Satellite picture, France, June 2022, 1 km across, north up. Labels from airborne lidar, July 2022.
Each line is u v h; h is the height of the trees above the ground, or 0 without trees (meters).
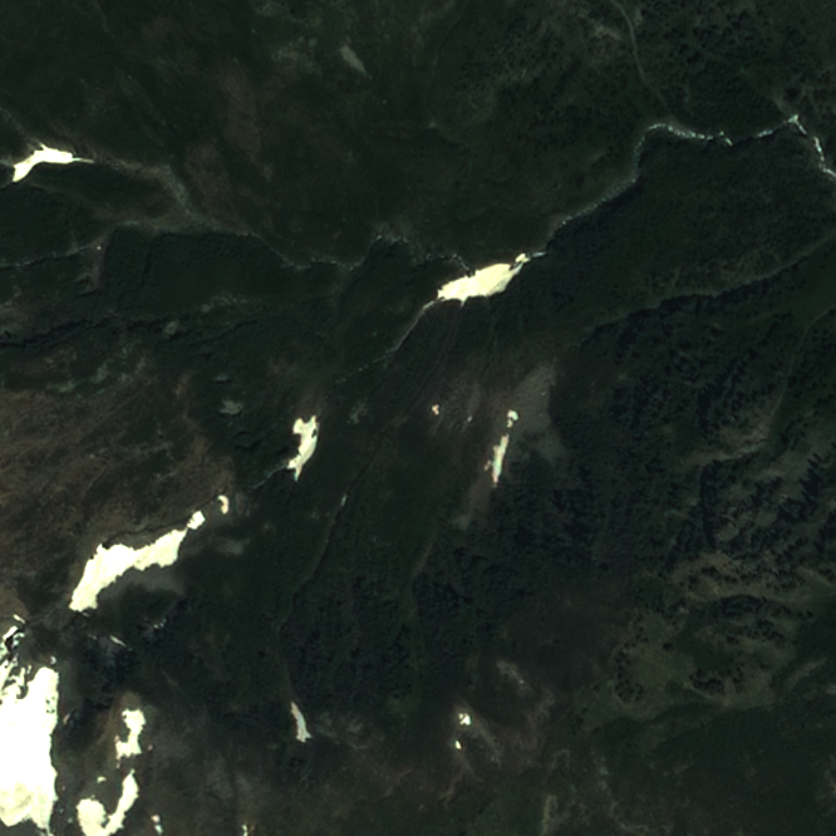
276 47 0
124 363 0
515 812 0
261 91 0
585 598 0
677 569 13
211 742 0
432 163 0
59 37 0
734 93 12
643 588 8
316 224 0
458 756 0
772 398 15
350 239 0
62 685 0
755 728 5
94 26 0
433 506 0
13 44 0
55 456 0
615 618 0
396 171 0
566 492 8
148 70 0
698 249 7
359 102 0
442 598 11
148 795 0
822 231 15
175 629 8
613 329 9
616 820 0
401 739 0
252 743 0
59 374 0
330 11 0
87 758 0
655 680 0
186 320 9
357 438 0
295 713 0
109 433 0
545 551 11
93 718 0
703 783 0
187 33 0
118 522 0
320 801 0
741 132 9
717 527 21
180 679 0
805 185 7
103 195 0
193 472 0
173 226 0
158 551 0
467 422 0
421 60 0
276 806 0
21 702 0
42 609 0
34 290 0
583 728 8
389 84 0
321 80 0
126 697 0
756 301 7
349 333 0
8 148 0
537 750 0
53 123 0
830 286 0
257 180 0
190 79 0
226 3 0
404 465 0
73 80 0
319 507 0
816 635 7
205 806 0
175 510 0
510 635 0
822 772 0
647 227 6
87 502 0
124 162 0
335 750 0
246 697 0
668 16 17
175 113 0
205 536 0
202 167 0
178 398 0
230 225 0
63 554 0
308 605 6
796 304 0
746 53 16
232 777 0
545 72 10
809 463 0
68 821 0
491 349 0
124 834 0
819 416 10
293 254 0
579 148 0
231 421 9
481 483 0
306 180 0
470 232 0
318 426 0
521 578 6
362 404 0
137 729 0
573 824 0
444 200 0
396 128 0
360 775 0
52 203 8
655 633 0
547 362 0
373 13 0
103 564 0
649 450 10
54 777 0
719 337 34
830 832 0
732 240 10
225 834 0
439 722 0
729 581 29
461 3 0
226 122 0
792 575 21
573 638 0
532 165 0
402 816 0
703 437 8
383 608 9
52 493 0
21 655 0
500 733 0
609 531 6
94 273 0
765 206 12
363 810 0
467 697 0
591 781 0
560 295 10
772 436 0
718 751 6
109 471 0
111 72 0
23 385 0
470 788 0
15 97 0
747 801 0
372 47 0
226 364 10
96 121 0
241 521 0
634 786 0
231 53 0
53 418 0
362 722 0
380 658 5
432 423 0
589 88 13
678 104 10
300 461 0
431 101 0
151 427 0
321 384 0
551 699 0
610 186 0
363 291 0
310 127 0
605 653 0
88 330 6
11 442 0
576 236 8
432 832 0
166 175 0
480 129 0
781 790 0
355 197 0
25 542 0
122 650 7
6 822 0
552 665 0
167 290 0
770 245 10
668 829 0
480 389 0
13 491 0
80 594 0
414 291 8
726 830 0
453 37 0
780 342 15
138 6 0
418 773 0
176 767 0
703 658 6
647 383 10
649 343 7
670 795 0
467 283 0
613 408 7
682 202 9
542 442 0
